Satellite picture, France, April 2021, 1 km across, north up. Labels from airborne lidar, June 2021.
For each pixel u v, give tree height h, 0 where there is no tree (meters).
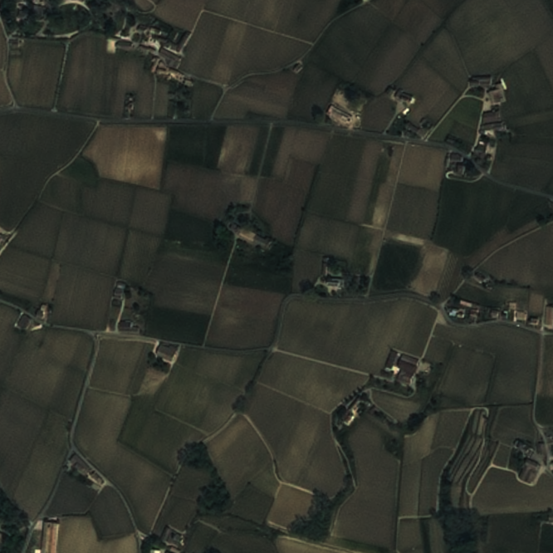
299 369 0
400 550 0
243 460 0
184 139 0
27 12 9
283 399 0
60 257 0
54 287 0
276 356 0
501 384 0
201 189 0
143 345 0
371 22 0
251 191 0
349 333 0
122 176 0
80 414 0
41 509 0
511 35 0
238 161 0
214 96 0
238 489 0
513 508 0
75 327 0
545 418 0
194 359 0
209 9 0
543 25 0
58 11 18
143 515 0
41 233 0
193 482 0
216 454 0
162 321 0
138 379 0
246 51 0
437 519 19
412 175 0
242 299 0
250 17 0
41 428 0
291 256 8
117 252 0
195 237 0
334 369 0
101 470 0
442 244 0
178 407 0
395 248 0
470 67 0
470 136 0
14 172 0
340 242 0
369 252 0
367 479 0
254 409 0
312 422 0
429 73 0
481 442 0
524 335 0
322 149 0
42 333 0
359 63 0
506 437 0
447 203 0
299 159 0
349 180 0
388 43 0
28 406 0
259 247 7
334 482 0
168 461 0
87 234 0
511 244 0
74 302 0
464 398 0
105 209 0
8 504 21
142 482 0
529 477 0
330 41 0
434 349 0
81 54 0
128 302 0
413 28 0
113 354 0
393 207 0
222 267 0
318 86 0
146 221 0
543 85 0
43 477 0
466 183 0
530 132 0
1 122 0
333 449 0
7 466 0
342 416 10
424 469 0
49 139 0
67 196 0
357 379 0
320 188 0
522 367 0
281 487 0
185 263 0
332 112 0
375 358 0
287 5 0
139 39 0
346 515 0
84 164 0
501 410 0
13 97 0
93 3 12
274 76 0
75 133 0
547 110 0
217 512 16
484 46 0
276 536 14
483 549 0
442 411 0
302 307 0
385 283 0
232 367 0
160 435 0
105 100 0
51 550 0
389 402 0
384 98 0
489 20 0
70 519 0
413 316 0
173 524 0
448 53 0
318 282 0
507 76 0
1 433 0
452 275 0
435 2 0
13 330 0
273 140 0
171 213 0
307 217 0
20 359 0
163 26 0
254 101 0
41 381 0
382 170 0
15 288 0
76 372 0
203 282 0
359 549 0
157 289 0
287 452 0
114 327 0
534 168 0
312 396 0
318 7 0
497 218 0
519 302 0
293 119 0
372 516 0
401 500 0
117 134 0
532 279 0
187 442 0
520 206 0
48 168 0
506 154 0
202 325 0
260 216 0
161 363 10
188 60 0
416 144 0
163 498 0
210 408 0
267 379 0
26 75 0
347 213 0
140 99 0
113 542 0
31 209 0
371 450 0
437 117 0
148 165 0
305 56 0
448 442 0
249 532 0
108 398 0
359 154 0
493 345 0
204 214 0
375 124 0
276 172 0
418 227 0
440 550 0
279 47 0
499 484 0
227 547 0
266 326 0
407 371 0
